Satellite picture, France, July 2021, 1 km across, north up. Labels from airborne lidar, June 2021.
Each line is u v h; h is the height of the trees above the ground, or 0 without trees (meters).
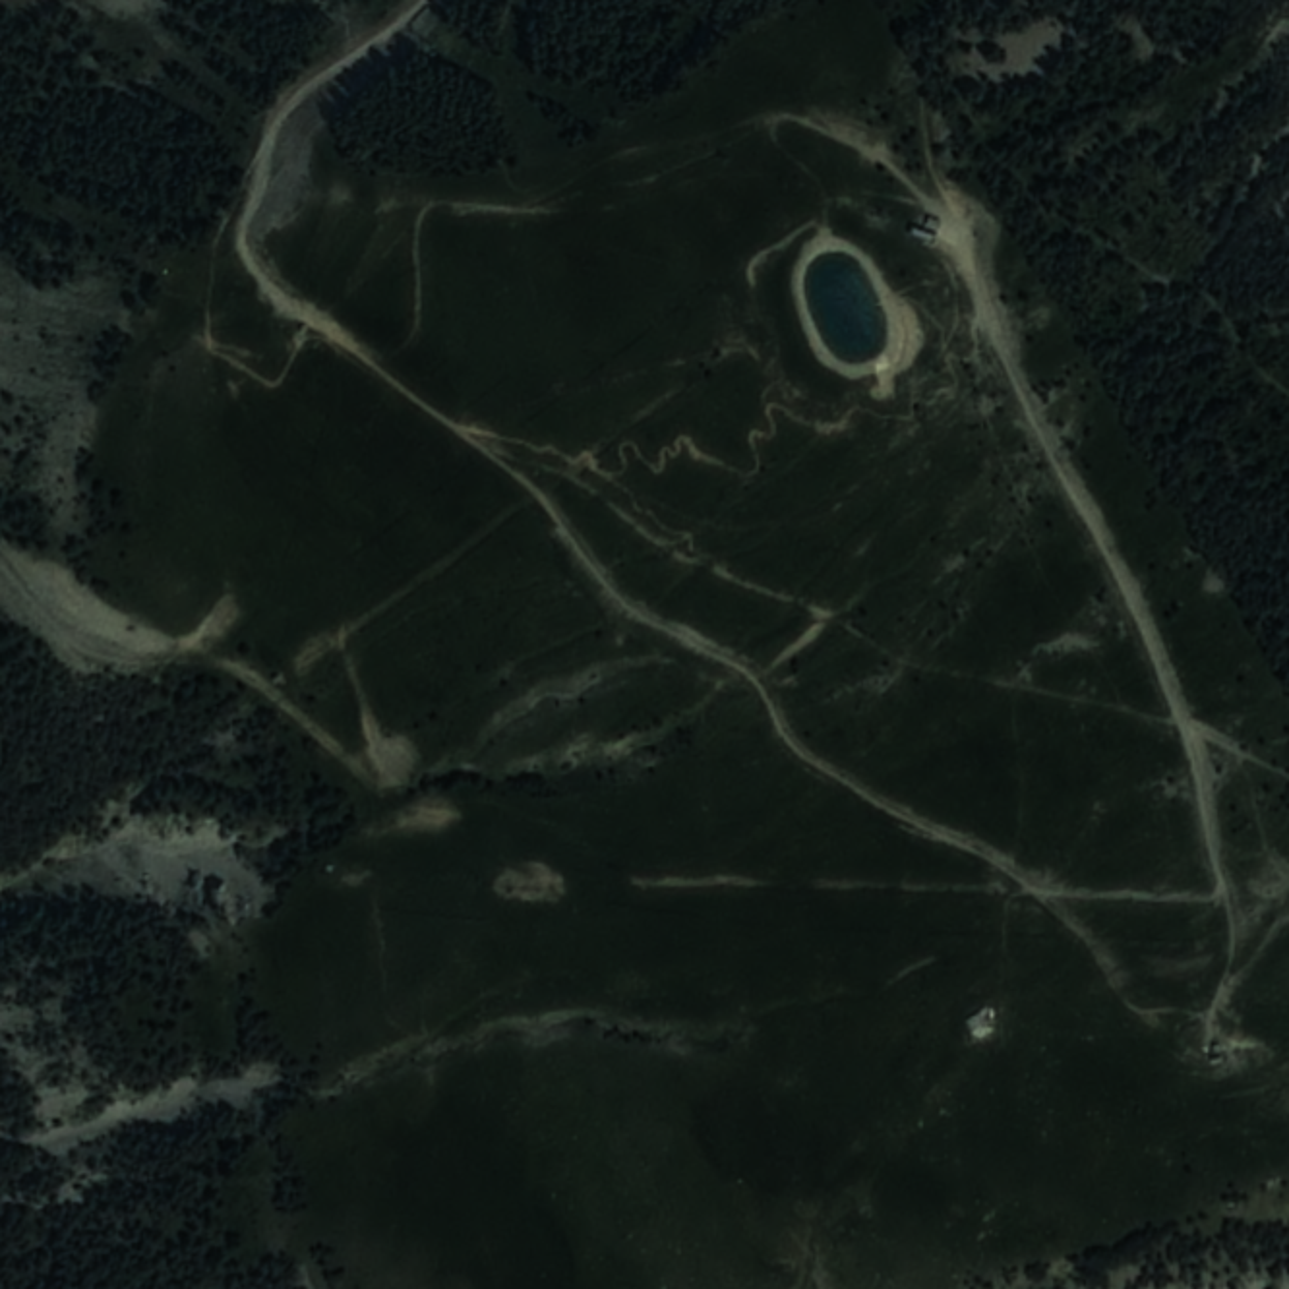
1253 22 15
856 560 0
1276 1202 0
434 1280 0
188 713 12
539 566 0
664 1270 0
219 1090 0
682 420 0
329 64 0
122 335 12
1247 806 0
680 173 0
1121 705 0
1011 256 0
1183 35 23
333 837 13
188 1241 19
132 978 15
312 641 0
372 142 22
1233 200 15
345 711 0
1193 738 0
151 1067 9
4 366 0
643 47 14
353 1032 0
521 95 0
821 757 0
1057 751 0
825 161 0
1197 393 7
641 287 0
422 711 0
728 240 0
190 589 0
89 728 6
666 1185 0
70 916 18
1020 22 26
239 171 9
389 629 0
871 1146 0
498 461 0
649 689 0
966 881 0
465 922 0
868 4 0
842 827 0
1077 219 23
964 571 0
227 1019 0
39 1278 19
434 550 0
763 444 0
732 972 0
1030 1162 0
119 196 18
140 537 0
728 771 0
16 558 0
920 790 0
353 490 0
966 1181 0
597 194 0
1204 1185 0
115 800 9
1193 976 0
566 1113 0
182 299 0
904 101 0
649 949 0
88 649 0
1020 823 0
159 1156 12
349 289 0
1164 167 19
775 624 0
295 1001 0
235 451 0
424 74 27
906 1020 0
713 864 0
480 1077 0
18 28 21
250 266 0
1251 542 19
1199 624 0
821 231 0
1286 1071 0
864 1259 0
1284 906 0
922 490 0
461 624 0
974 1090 0
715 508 0
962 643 0
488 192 0
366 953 0
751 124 0
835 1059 0
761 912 0
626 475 0
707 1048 0
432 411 0
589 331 0
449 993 0
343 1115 0
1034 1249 0
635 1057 0
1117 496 0
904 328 0
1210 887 0
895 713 0
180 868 0
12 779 16
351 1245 0
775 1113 0
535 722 0
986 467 0
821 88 0
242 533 0
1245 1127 0
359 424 0
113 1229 11
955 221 0
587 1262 0
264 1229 0
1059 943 0
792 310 0
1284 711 0
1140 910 0
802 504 0
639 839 0
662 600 0
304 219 0
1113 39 26
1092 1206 0
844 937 0
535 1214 0
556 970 0
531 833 0
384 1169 0
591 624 0
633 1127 0
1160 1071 0
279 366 0
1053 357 0
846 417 0
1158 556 0
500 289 0
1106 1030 0
